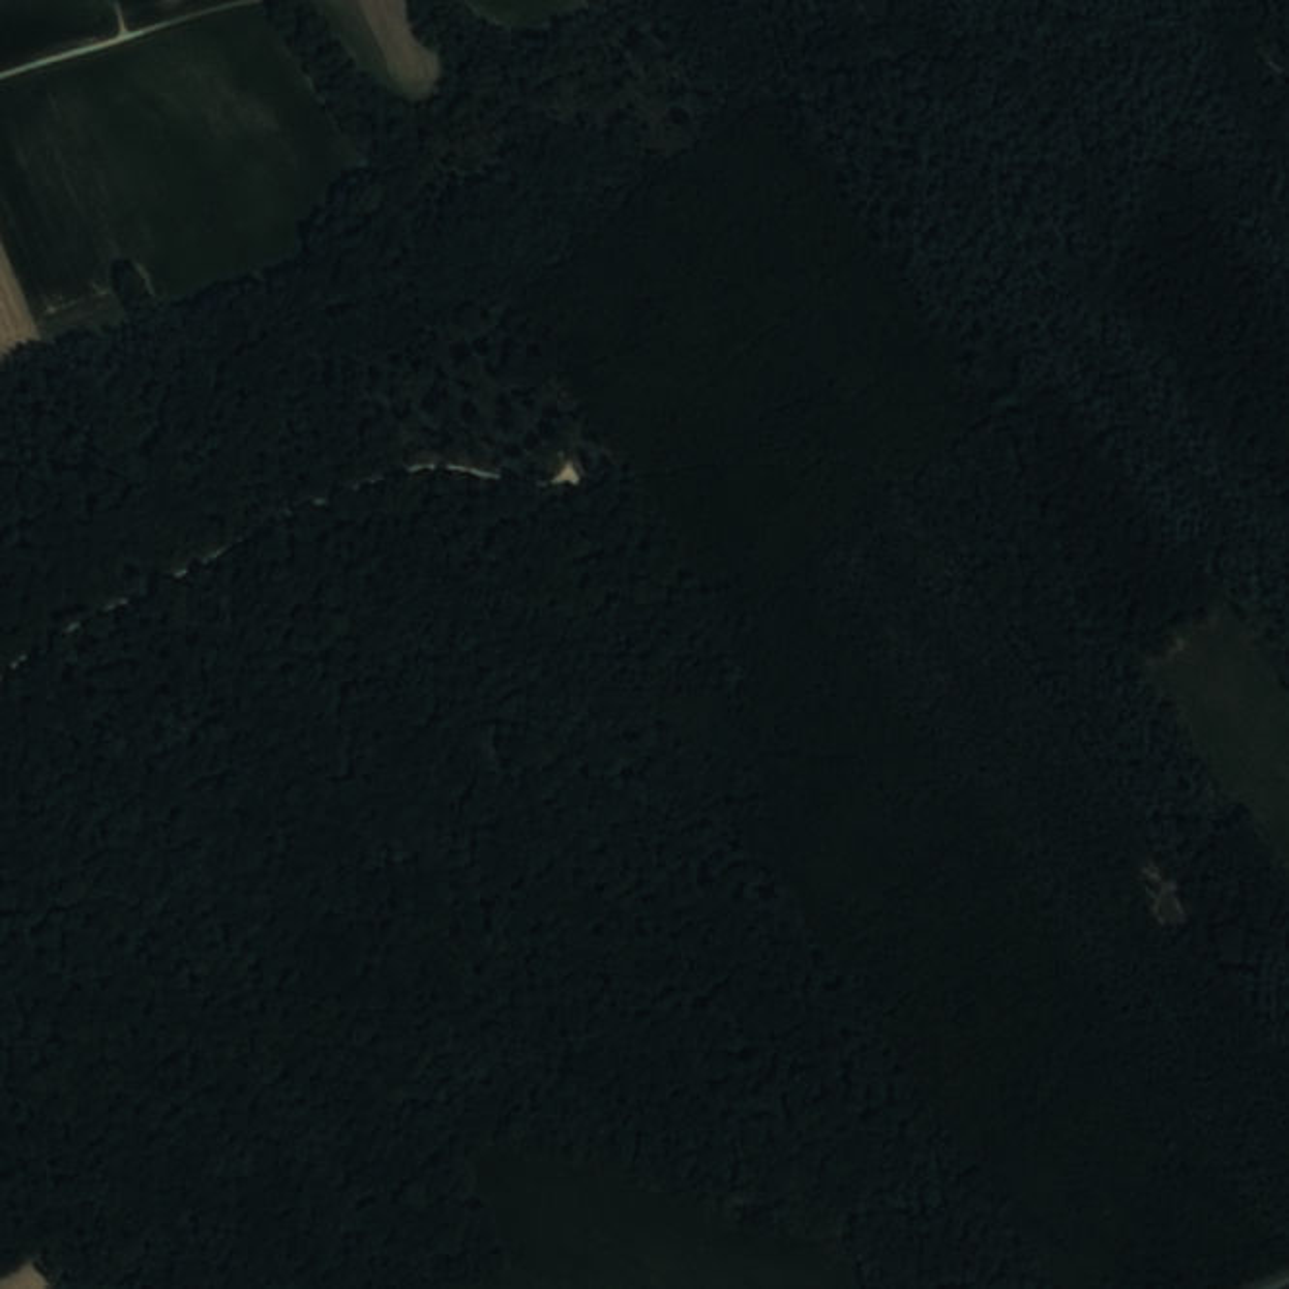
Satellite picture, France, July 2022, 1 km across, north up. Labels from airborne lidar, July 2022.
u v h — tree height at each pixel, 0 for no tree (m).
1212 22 25
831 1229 19
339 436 22
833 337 8
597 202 11
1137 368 30
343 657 19
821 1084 26
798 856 13
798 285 10
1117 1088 8
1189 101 27
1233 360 24
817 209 13
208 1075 29
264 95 0
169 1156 24
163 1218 23
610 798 24
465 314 23
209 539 26
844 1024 27
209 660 28
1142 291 25
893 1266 24
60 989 26
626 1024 28
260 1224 24
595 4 13
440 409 24
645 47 27
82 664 27
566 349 12
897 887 13
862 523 13
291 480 14
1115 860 17
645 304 10
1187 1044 17
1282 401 21
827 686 12
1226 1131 18
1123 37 23
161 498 23
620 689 22
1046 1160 11
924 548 15
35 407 7
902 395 9
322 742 21
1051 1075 11
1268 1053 18
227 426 23
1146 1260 10
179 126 0
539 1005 23
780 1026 26
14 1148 24
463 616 18
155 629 28
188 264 0
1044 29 24
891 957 9
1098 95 22
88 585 25
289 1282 22
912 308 10
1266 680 0
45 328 0
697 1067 26
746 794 12
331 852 25
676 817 23
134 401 27
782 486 8
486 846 24
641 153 11
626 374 11
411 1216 25
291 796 28
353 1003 28
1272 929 26
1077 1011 8
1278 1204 15
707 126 9
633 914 28
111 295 0
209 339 25
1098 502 25
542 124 15
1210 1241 10
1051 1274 10
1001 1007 9
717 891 30
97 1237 17
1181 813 19
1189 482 21
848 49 23
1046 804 14
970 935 8
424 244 18
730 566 9
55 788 22
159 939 22
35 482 26
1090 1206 11
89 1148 16
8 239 0
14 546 28
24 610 29
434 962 24
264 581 18
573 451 26
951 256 27
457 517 26
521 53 21
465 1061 20
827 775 11
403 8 0
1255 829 25
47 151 0
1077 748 16
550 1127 20
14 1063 28
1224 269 24
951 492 19
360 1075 24
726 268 9
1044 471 22
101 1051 26
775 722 8
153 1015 28
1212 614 25
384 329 22
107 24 0
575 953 26
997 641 13
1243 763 0
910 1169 24
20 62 0
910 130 28
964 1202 20
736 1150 21
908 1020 11
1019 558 17
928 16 23
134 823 29
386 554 18
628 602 20
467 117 11
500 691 19
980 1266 23
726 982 20
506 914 28
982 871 11
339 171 0
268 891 19
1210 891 24
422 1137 27
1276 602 25
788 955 34
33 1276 0
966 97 24
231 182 0
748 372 7
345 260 23
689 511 9
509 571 24
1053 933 10
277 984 24
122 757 24
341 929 27
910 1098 23
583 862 29
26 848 27
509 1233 0
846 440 7
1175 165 20
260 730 25
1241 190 22
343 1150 24
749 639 9
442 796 25
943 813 11
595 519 28
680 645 22
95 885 22
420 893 27
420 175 24
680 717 10
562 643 11
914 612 15
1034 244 32
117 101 0
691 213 11
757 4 17
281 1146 29
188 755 22
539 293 9
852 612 15
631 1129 16
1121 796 17
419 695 23
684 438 9
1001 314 29
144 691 26
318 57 16
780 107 10
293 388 22
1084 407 27
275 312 19
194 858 25
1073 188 24
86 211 0
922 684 14
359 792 25
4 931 24
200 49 0
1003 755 15
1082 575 22
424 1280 22
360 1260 28
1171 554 27
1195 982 15
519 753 25
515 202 16
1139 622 26
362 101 22
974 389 13
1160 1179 10
